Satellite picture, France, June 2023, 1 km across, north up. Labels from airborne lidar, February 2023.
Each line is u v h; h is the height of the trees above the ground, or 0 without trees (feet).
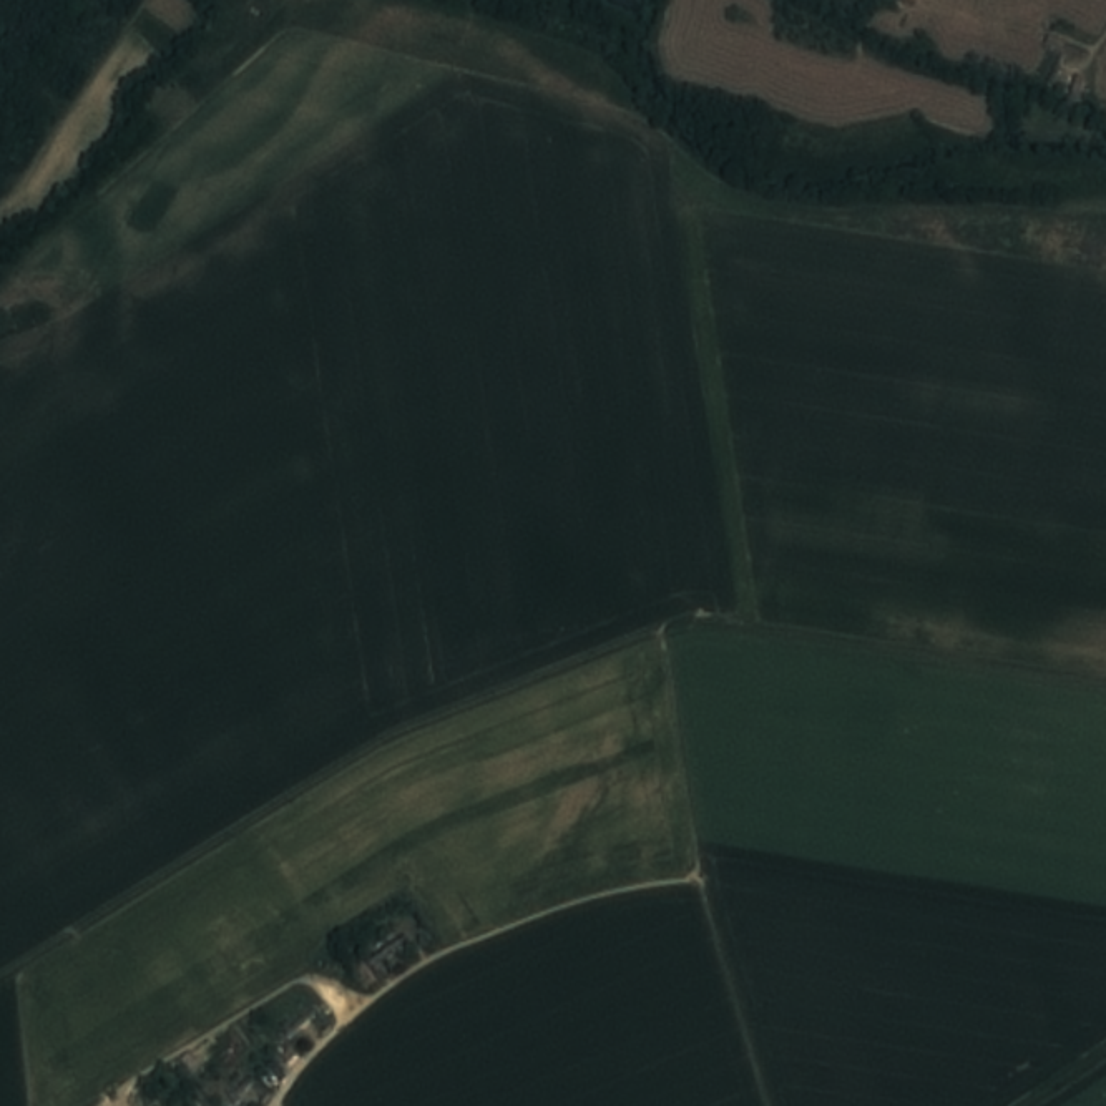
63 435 0
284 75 0
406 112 0
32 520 0
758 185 66
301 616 0
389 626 0
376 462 0
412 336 0
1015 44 0
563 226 0
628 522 0
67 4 61
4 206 0
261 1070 25
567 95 0
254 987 0
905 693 0
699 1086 0
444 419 0
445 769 0
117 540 0
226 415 0
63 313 0
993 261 0
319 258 0
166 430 0
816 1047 0
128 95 26
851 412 0
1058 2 0
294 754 0
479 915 0
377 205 0
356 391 0
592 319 0
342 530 0
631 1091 0
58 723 0
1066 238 0
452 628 0
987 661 0
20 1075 0
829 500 0
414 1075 0
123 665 0
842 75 0
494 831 0
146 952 0
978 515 0
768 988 0
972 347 0
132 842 0
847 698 0
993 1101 0
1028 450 0
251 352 0
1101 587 0
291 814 0
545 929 0
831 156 0
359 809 0
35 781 0
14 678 0
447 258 0
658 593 0
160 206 0
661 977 0
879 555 0
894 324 0
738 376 0
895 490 0
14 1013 0
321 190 0
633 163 0
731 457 0
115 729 0
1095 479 0
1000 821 0
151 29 0
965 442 0
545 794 0
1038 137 0
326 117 0
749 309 0
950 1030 0
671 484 0
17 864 0
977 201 54
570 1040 0
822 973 0
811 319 0
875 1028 0
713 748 0
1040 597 0
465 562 0
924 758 0
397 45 0
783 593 0
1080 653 0
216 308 0
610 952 0
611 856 0
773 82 0
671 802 0
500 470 0
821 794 0
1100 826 0
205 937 0
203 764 0
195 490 0
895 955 0
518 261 0
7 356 0
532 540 0
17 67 46
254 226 0
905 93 0
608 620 0
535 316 0
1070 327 0
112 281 0
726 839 0
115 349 0
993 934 0
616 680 0
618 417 0
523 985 0
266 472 0
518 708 0
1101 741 0
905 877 0
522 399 0
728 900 0
